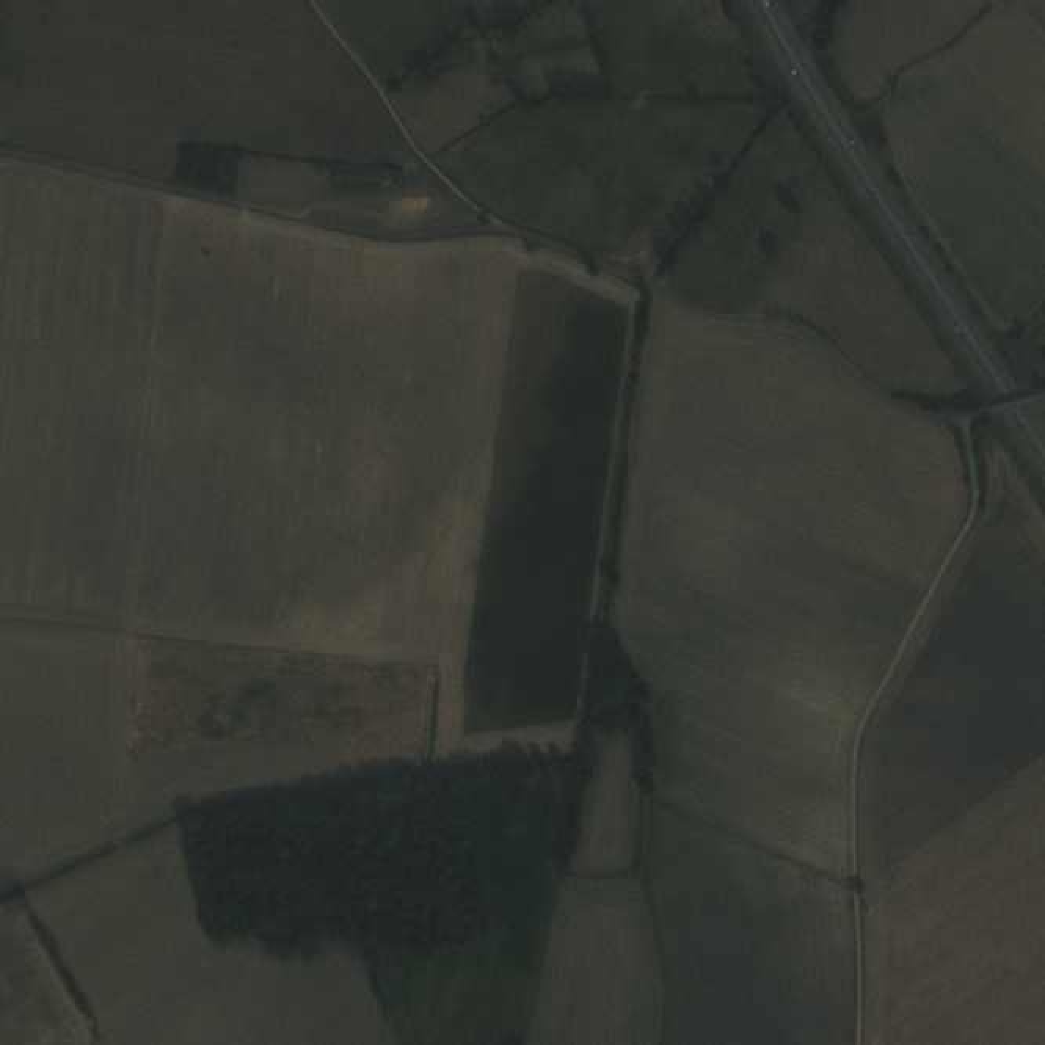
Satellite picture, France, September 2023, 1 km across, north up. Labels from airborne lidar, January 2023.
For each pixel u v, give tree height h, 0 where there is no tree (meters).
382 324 0
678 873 0
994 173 0
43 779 0
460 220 0
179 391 0
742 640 0
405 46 0
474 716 0
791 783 0
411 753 0
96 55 0
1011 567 0
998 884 0
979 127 0
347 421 0
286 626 0
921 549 0
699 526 0
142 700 0
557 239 0
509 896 0
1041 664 0
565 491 0
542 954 0
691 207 0
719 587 0
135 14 0
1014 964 0
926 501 0
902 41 0
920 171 0
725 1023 0
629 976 0
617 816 0
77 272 0
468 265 0
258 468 0
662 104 0
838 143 0
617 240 0
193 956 0
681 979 0
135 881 0
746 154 6
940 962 0
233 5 0
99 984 0
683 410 0
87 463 0
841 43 0
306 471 0
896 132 0
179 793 0
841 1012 0
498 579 0
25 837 0
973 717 0
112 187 0
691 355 0
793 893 0
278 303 0
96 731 0
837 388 0
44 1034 0
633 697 14
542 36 0
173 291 0
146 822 0
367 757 0
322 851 24
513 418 0
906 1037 0
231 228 0
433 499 0
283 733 0
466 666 0
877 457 0
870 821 0
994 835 0
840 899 0
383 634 0
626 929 0
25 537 0
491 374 0
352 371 0
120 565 0
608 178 0
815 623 0
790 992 0
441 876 23
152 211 0
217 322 0
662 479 0
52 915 0
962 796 0
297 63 0
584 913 0
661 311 0
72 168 0
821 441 0
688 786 0
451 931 12
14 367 0
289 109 0
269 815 18
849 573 0
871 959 0
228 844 24
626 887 0
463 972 0
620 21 0
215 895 25
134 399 0
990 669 0
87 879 0
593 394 0
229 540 0
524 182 0
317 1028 0
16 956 0
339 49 0
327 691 0
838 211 0
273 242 0
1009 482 0
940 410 9
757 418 0
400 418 0
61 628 0
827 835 0
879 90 0
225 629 0
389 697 0
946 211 0
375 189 0
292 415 0
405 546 0
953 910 0
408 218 0
